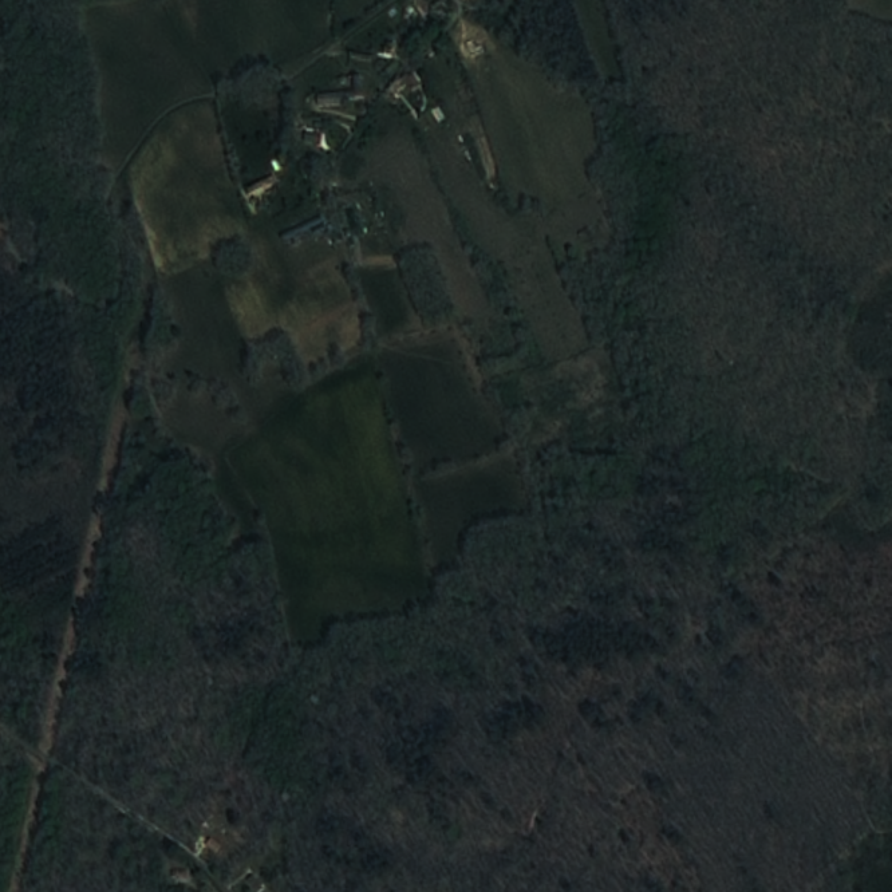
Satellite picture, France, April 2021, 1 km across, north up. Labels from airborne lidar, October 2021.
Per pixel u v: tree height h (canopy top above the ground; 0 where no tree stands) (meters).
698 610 14
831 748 20
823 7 14
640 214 20
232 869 13
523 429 13
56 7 19
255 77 23
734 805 17
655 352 19
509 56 0
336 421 0
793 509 18
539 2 13
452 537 0
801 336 18
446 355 0
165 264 0
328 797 17
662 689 22
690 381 17
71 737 11
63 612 13
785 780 21
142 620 19
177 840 17
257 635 24
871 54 15
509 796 15
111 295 20
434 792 27
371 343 15
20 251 12
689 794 22
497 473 0
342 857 19
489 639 17
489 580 23
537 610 18
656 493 23
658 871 8
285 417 0
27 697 14
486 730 19
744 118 9
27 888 13
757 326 15
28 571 13
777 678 8
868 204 10
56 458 21
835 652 7
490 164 0
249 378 17
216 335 0
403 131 0
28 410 25
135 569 22
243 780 17
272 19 0
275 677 18
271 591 22
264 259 0
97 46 0
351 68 0
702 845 20
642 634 19
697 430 20
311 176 17
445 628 21
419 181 0
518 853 9
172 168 0
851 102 7
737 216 11
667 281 14
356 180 0
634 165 17
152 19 0
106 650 14
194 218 0
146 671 15
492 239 0
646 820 9
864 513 16
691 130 6
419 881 19
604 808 14
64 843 21
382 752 20
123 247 16
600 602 17
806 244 9
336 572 0
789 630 8
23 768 21
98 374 19
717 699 19
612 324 16
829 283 15
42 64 23
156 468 18
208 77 0
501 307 9
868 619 7
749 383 13
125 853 25
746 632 22
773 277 20
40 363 24
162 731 15
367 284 0
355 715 22
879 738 18
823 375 14
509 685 19
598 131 9
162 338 17
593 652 27
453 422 0
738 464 18
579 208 0
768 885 14
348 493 0
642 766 15
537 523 19
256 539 0
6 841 18
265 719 18
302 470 0
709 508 16
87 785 8
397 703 20
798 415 13
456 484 0
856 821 18
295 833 20
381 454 0
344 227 12
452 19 14
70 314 16
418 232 0
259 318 0
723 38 11
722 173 12
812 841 16
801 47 11
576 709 8
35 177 20
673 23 12
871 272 9
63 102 21
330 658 22
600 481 23
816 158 7
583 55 16
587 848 14
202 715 22
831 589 8
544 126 0
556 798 14
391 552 0
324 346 0
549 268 0
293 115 14
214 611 21
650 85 10
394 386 0
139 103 0
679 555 26
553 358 0
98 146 20
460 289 0
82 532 17
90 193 15
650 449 20
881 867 22
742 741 20
